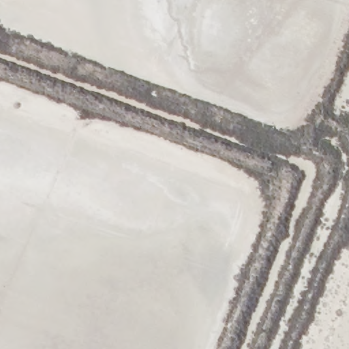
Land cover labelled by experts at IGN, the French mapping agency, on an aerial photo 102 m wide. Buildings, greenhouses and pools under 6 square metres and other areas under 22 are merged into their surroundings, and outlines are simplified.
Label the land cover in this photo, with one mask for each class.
<instances>
[{"label":"pervious surface","instance_id":"1","mask_svg":"<svg viewBox=\"0 0 349 349\"><path fill-rule=\"evenodd\" d=\"M0 25L5 30L33 35L37 40L50 42L68 52L78 53L86 59L104 64L105 67L119 70L136 78L149 80L155 85L191 95L198 100L224 106L249 119L274 125L278 130H294L305 124V117L312 112L318 102H322L324 87L329 85L330 79L333 78L335 63L344 46L345 34L349 30V0H0ZM0 59L12 61L95 93L108 95L135 108L147 110L165 119L179 121L195 130L209 132L237 145L244 146V142L234 136L202 127L185 117L151 108L143 102L124 97L115 91L100 89L0 53ZM349 101V72L335 98V104L338 106ZM264 202L260 196L258 181L254 177H249L243 170L233 168L228 162L218 158L195 153L158 136L120 127L110 121L82 120L79 113L70 106L57 104L42 95L0 82V349H215L219 334L224 329V320L229 311V301L234 297L237 275L251 254L252 244L262 221ZM279 160L292 162L303 169L305 179L294 204L288 237L279 245L277 258L271 267L258 307L252 314L241 349H248L267 300L273 293L286 251L292 243L294 225L301 210L307 206L316 173L315 165L311 161L277 154ZM344 181H338L333 195L324 204L314 241L305 256L299 279L294 285L292 297L285 315L279 322V329L270 349H278L285 331L288 330L290 316L299 303L300 294L307 288L309 275L314 269L323 244L326 243L335 217L346 218L349 214V192L342 189ZM301 349H349V249H342L341 256L335 260L333 273L329 275L323 296L316 307L314 322L309 326L308 333L301 338Z\"/></svg>","mask_w":349,"mask_h":349},{"label":"brushwood","instance_id":"2","mask_svg":"<svg viewBox=\"0 0 349 349\"><path fill-rule=\"evenodd\" d=\"M0 53L100 89L115 91L124 97L143 102L151 108L185 117L202 127L234 136L244 142V146L237 145L209 132L195 130L179 121L165 119L147 110L135 108L108 95L95 93L12 61L0 59V82L42 95L57 104L70 106L79 113L82 120L110 121L120 127L158 136L195 153L218 158L228 162L233 168L243 170L249 177H254L258 181L260 196L264 202L262 221L252 244L251 254L237 275L234 297L229 301V311L224 320L226 323L232 320L239 304L245 281L249 278V271L255 263L256 254L267 233V225L274 213V200L281 198L282 181H288L290 184L288 202L279 215L275 232L267 245L266 262L260 267L259 275H256L255 282L249 290L247 305L237 319L228 349H241L252 314L258 307L271 267L277 258L279 245L288 237L294 204L305 179L303 169L292 162L279 160L277 154L311 161L315 165L316 173L307 206L301 210L294 225L292 243L286 251L273 293L267 300L248 349H270L279 329V322L285 315L292 297L294 285L299 279L305 256L314 241L324 204L333 195L338 181H344L342 189L349 192V101L338 106L335 104V98L349 72V30L345 34L344 46L335 63L333 78L330 79L329 85L324 87L322 102H318L312 112L305 117V124L294 130H278L274 125L249 119L224 106L198 100L191 95L155 85L149 80L136 78L119 70L116 75L121 76V85L116 86L112 82H102L90 72L85 75L79 74L76 67H59L61 59L70 55L68 52L50 42L37 40L33 35L5 30L0 25ZM342 249H349V214L346 218L335 217L326 243L323 244L314 269L309 275L307 288L300 294L299 303L290 316L288 330L285 331L278 349H301V338L308 333L309 326L314 322L316 307L323 296L329 275L333 273L335 260L341 256Z\"/></svg>","mask_w":349,"mask_h":349},{"label":"herbaceous vegetation","instance_id":"3","mask_svg":"<svg viewBox=\"0 0 349 349\"><path fill-rule=\"evenodd\" d=\"M70 55L61 59L59 67H76L79 74L85 75L90 72L102 82H112L116 86L121 85V76L116 75L119 70L105 67L104 64L86 59L78 53L68 52ZM290 184L288 181H282L281 198L274 200V213L267 225V233L256 254L255 263L249 271V278L245 281L239 304L232 320L226 323L224 320V329L219 334L215 349H228L237 319L247 305L249 290L255 282L256 275H259L260 267L266 262L267 245L275 232L279 215L288 202Z\"/></svg>","mask_w":349,"mask_h":349}]
</instances>
